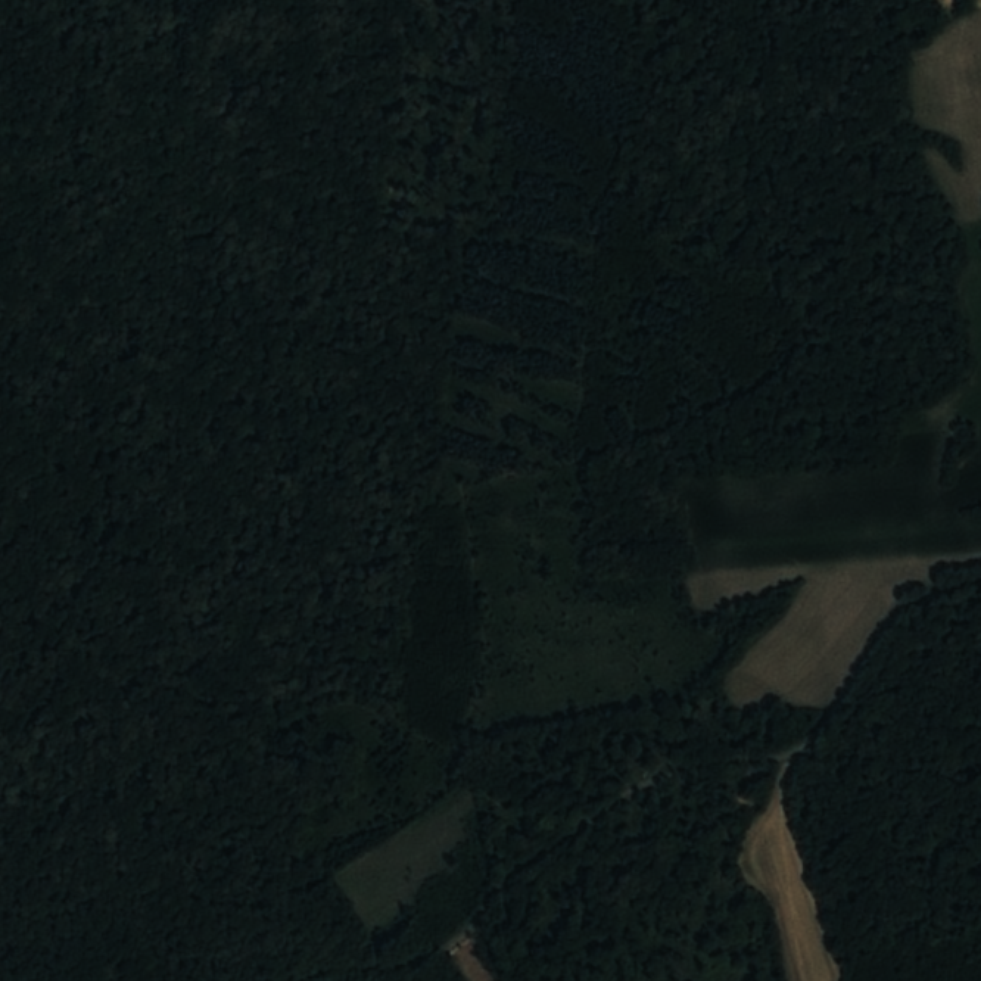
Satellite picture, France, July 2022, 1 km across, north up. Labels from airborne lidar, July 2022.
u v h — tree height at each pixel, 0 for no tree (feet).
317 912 75
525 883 67
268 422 76
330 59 71
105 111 79
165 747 83
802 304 82
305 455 86
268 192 73
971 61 0
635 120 49
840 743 67
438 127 77
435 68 0
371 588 94
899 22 83
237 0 69
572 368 66
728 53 80
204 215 57
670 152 89
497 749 75
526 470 76
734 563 0
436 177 76
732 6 82
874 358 77
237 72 93
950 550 0
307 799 84
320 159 79
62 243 66
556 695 0
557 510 74
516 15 52
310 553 77
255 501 84
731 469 63
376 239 81
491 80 63
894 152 73
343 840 23
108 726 71
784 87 77
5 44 63
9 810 86
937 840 44
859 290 57
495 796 84
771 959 28
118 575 82
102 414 74
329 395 82
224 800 76
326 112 69
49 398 99
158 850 80
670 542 64
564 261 75
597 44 63
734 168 74
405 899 0
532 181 72
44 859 66
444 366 67
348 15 82
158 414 83
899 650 72
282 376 73
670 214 81
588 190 42
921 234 83
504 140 42
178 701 75
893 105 89
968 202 0
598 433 37
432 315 81
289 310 72
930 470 0
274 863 67
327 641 85
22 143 82
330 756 68
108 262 61
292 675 82
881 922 60
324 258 71
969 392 0
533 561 71
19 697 73
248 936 68
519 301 74
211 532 77
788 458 60
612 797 64
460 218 76
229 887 82
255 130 75
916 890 65
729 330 30
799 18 79
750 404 77
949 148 35
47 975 69
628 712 84
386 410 89
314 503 81
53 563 89
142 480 90
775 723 80
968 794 78
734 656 69
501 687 0
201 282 69
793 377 71
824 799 68
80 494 89
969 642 78
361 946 84
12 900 47
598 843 69
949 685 72
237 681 76
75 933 61
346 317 88
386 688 73
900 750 61
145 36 73
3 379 79
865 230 81
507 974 84
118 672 73
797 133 72
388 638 89
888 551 0
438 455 48
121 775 80
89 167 77
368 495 94
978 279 0
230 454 75
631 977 67
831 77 83
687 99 73
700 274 25
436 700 21
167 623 91
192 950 72
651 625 0
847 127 84
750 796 86
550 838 63
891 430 73
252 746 87
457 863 77
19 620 76
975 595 55
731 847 91
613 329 79
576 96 76
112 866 70
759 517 0
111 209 85
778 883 0
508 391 71
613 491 69
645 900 68
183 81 84
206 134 69
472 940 37
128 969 103
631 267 18
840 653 0
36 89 72
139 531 94
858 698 57
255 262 93
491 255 87
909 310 77
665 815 70
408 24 59
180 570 74
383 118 69
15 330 74
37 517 88
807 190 82
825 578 0
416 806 21
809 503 0
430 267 67
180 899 90
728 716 76
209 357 92
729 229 87
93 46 55
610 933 68
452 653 23
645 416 27
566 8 70
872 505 0
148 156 76
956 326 77
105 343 77
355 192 63
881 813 52
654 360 24
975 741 66
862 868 86
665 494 77
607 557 88
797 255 64
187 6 62
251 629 80
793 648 0
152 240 89
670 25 72
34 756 68
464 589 24
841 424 56
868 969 35
